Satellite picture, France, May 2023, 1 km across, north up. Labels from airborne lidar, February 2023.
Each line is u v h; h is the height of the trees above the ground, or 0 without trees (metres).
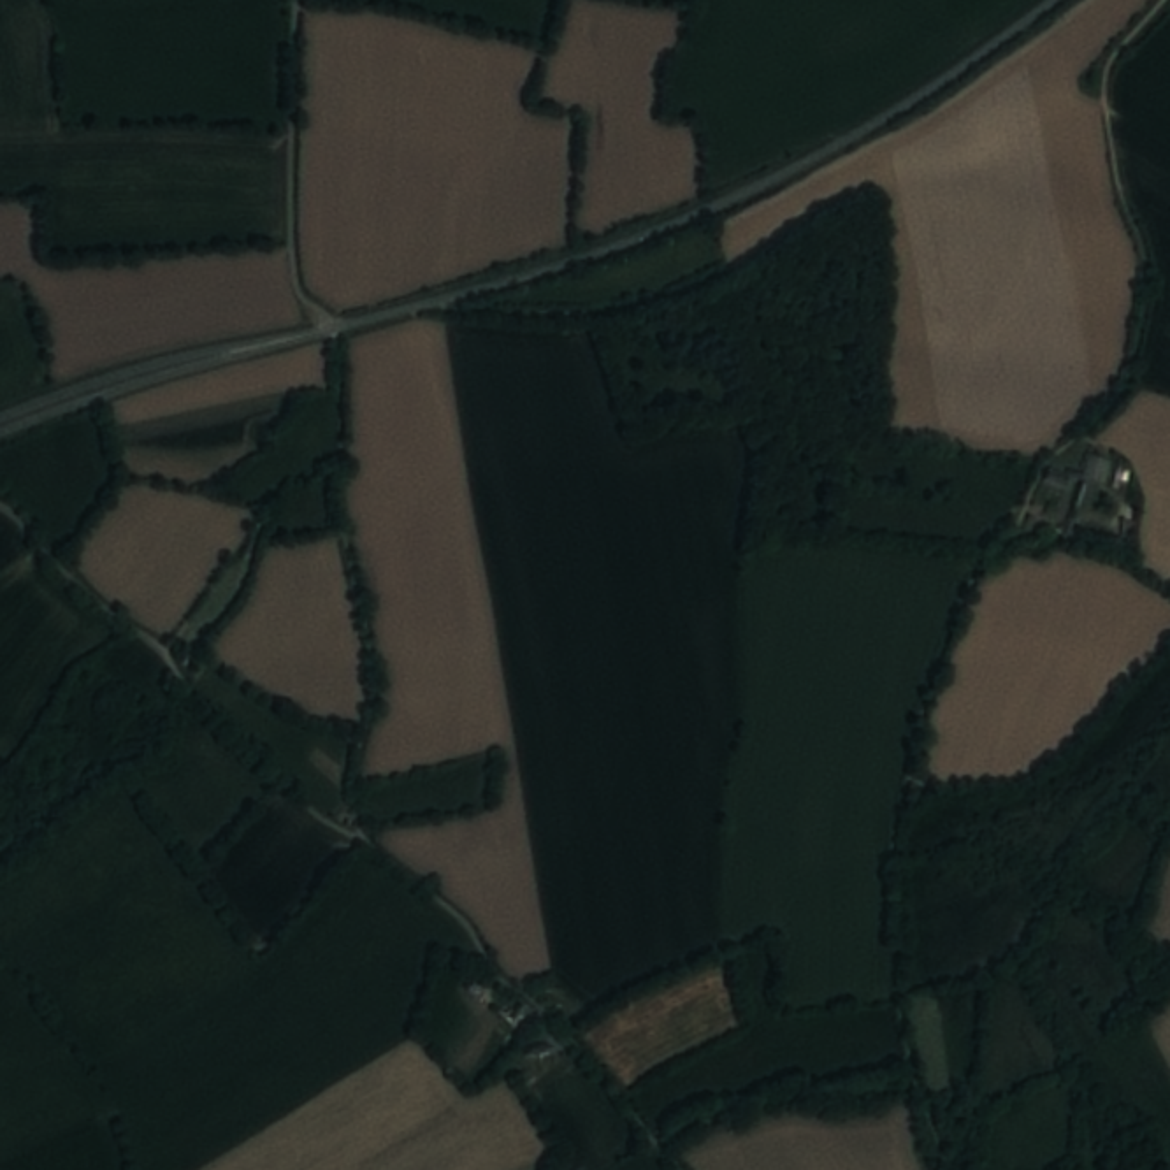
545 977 9
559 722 0
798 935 0
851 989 0
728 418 18
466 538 0
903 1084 15
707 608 0
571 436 0
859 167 0
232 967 0
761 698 0
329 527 13
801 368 19
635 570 0
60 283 0
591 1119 0
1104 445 0
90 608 12
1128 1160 9
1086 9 0
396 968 0
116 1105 0
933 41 0
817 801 0
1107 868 0
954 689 0
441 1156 0
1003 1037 0
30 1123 0
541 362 0
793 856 0
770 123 0
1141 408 0
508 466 0
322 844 0
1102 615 0
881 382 23
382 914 0
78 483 0
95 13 0
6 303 0
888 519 0
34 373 0
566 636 0
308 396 12
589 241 19
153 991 0
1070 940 0
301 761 0
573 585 0
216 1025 0
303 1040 0
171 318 0
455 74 0
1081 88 0
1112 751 0
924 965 0
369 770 0
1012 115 0
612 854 0
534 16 0
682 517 0
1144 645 0
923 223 0
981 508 0
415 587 0
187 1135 0
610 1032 0
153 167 0
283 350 0
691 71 0
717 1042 7
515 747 0
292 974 0
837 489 18
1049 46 0
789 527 22
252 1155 0
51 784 12
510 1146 0
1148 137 0
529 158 0
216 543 0
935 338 0
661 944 0
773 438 23
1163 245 0
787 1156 0
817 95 0
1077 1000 10
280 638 0
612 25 0
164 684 11
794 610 0
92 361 0
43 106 0
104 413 16
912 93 0
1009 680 0
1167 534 0
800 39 0
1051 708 0
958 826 0
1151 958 15
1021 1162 0
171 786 0
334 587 0
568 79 0
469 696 0
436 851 0
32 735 9
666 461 0
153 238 0
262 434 13
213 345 0
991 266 0
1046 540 12
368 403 0
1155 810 18
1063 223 0
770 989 18
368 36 0
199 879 16
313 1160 0
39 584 0
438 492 0
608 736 0
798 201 0
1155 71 0
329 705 0
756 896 0
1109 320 0
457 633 0
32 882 0
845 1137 0
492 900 0
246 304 0
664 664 0
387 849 0
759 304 23
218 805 0
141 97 0
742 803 0
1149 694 0
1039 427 0
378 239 0
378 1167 0
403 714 0
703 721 0
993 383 0
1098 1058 0
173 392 0
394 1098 0
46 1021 12
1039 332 0
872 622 0
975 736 0
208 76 0
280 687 0
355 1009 0
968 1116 8
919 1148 7
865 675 0
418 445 0
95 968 0
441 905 0
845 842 0
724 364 29
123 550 0
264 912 0
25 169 0
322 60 0
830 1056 0
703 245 0
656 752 0
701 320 20
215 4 0
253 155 0
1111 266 0
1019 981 8
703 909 0
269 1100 0
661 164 0
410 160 0
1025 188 0
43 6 14
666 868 0
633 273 0
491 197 0
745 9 0
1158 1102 0
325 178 0
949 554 12
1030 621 0
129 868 0
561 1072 0
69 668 9
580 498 0
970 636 0
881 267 24
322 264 0
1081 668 0
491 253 0
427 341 0
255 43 0
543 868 0
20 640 0
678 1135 19
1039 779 13
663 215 6
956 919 0
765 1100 19
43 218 18
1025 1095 10
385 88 0
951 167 0
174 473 0
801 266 21
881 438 24
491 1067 8
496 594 0
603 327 21
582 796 0
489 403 0
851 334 25
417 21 14
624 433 20
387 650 0
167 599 0
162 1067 0
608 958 0
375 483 0
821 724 0
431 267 0
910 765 20
